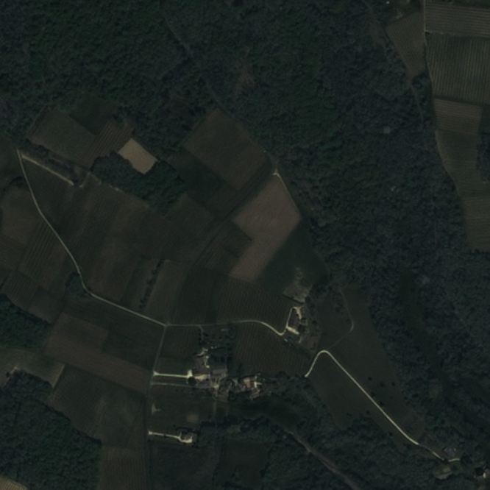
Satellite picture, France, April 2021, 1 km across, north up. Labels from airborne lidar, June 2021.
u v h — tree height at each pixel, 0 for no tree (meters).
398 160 23
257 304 0
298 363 0
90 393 0
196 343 0
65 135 0
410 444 0
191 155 0
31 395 21
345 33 21
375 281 22
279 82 24
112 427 0
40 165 0
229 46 23
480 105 0
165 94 14
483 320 15
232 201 0
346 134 20
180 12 19
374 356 0
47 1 21
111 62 28
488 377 22
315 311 14
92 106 0
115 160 16
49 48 21
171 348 0
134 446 0
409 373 19
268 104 21
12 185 6
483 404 16
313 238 10
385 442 20
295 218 0
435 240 23
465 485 23
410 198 27
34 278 0
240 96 10
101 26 20
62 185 0
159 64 18
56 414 19
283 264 0
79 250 0
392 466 17
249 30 16
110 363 0
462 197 0
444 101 0
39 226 0
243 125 18
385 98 9
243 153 0
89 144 0
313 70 23
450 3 6
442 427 9
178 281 0
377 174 20
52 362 0
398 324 20
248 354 0
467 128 0
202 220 0
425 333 0
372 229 24
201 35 18
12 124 19
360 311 0
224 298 0
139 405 0
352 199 10
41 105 13
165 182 18
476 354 20
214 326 6
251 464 0
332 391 0
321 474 9
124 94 14
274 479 13
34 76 22
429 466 19
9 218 0
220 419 0
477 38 0
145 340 0
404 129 24
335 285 18
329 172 21
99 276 0
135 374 0
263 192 0
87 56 16
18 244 0
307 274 0
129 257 0
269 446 11
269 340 0
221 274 0
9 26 25
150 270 0
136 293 0
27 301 0
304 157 22
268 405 0
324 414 18
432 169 21
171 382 0
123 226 0
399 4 0
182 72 18
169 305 0
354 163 23
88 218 0
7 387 14
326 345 0
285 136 24
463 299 13
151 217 0
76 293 15
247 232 0
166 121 14
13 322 22
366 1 18
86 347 0
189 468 0
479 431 17
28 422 23
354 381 0
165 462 0
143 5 27
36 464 23
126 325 0
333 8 19
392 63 7
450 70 0
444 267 19
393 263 24
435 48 0
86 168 0
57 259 0
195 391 11
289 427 0
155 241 0
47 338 17
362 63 19
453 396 0
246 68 18
